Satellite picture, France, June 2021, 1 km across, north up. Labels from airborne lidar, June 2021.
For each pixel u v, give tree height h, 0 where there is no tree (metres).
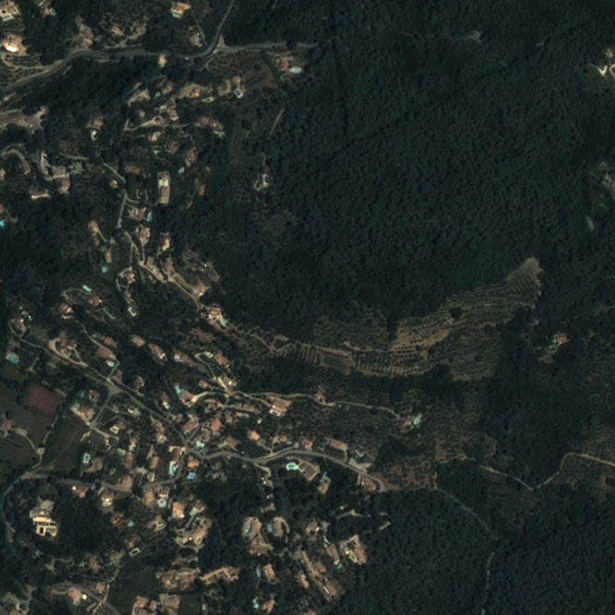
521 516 8
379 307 17
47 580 15
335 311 7
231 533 17
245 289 7
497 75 16
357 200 20
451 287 10
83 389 6
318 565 0
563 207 15
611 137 16
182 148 14
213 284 12
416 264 8
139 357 9
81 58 10
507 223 14
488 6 21
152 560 13
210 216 16
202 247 12
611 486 8
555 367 10
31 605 10
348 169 14
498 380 9
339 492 19
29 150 15
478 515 6
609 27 12
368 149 17
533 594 14
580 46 16
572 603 6
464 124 21
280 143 16
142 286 12
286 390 11
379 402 7
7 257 15
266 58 9
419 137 13
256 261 11
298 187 17
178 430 8
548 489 16
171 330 6
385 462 7
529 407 14
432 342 0
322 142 19
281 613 13
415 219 15
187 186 0
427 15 16
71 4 17
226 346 5
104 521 10
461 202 14
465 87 6
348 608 11
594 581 21
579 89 18
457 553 12
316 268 14
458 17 17
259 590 5
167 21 19
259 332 5
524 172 14
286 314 15
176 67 13
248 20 18
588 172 21
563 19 20
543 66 11
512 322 14
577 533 10
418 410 10
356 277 12
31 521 6
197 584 16
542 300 12
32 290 13
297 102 15
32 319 7
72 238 8
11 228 19
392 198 19
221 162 17
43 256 11
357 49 19
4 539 22
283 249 7
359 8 17
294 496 10
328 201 16
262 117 14
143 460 10
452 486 13
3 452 0
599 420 8
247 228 14
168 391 10
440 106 19
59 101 17
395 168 8
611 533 20
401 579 19
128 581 7
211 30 6
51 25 19
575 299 16
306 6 10
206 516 0
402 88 19
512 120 17
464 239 21
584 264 23
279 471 10
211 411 6
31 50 11
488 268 5
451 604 6
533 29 16
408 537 19
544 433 13
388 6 27
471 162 25
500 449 7
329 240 12
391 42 17
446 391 14
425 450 7
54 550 11
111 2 12
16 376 0
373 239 19
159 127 8
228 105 5
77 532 11
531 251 15
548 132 23
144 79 25
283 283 16
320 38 21
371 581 15
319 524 7
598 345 10
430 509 7
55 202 21
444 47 14
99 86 15
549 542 18
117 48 7
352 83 12
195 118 20
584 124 15
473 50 18
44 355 14
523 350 18
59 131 19
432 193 17
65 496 20
